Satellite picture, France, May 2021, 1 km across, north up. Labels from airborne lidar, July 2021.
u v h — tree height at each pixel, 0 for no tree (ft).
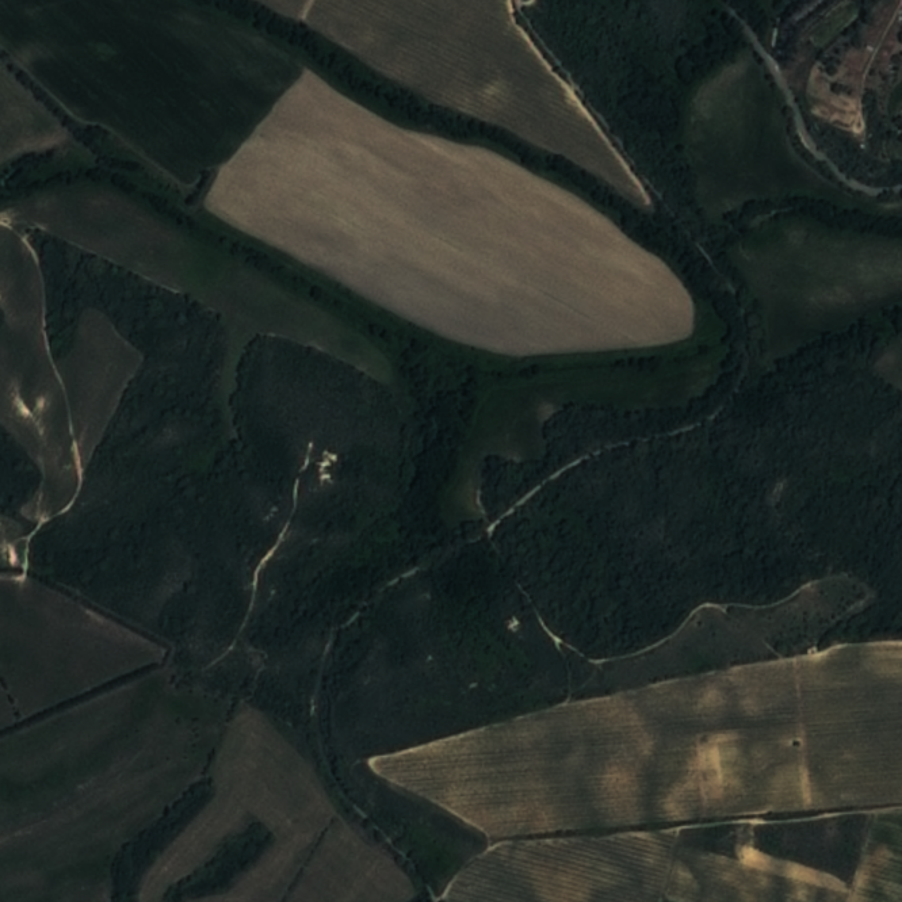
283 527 0
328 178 0
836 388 22
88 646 0
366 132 0
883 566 28
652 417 51
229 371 0
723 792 0
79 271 35
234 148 0
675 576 21
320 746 32
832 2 53
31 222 0
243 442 26
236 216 0
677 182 22
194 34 0
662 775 0
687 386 0
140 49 0
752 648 0
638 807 0
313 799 0
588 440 20
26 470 29
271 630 20
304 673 19
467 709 0
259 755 0
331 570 31
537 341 0
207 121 0
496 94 0
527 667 20
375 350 0
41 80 0
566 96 0
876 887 0
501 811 0
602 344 0
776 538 26
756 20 78
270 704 22
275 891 0
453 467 58
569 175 49
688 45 65
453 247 0
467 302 0
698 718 0
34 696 0
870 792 0
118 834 0
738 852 0
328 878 0
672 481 22
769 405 46
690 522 23
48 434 0
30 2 0
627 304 0
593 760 0
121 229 0
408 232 0
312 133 0
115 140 0
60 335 24
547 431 38
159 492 21
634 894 0
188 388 24
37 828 0
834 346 89
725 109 0
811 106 0
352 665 20
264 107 0
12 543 0
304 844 0
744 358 45
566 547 30
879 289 0
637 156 38
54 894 0
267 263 52
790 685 0
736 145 0
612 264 0
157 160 0
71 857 0
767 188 0
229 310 0
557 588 26
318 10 0
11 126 0
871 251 0
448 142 0
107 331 0
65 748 0
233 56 0
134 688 0
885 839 0
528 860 0
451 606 36
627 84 26
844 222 57
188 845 0
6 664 0
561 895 0
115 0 0
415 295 0
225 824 0
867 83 0
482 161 0
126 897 23
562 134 0
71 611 0
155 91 0
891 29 0
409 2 0
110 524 24
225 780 0
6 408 0
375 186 0
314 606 21
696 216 24
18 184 24
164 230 0
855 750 0
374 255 0
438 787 0
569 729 0
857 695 0
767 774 0
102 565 40
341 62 22
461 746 0
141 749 0
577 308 0
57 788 0
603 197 52
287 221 0
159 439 0
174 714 0
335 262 0
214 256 0
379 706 0
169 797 0
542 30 31
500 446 0
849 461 19
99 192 0
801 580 21
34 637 0
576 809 0
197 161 0
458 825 0
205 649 0
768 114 0
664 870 0
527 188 0
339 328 0
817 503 28
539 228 0
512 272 0
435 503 58
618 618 26
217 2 47
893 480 37
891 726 0
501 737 0
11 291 0
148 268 0
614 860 0
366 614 45
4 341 0
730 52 43
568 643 21
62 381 0
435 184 0
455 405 52
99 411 0
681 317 0
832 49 0
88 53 0
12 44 0
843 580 0
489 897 0
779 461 18
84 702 29
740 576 29
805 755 0
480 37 0
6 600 0
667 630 32
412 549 30
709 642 0
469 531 45
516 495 32
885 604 19
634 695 0
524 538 31
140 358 0
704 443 42
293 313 0
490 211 0
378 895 0
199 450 21
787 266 0
